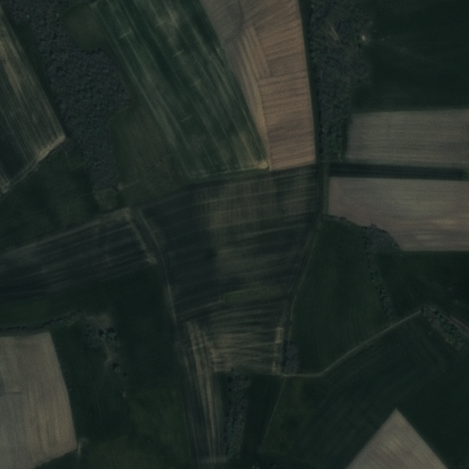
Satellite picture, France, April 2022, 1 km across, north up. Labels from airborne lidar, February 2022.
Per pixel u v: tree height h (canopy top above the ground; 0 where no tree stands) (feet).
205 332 0
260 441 0
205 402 0
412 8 0
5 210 0
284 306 0
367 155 0
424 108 0
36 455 0
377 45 0
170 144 0
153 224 0
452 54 0
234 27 0
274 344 0
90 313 0
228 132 0
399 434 0
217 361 0
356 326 0
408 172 0
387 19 0
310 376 0
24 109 0
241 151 0
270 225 0
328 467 0
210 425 0
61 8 47
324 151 56
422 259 0
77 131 52
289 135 0
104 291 0
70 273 0
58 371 0
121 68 0
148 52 0
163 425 0
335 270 0
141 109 0
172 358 0
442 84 0
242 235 0
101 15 0
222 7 0
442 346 0
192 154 0
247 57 0
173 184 0
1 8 0
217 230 0
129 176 0
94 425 0
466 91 0
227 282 0
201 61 0
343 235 0
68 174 0
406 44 0
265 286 0
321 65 54
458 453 0
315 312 0
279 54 0
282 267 0
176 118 0
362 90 0
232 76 0
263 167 0
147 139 0
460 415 0
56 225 0
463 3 0
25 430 0
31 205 0
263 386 0
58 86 57
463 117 0
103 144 58
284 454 0
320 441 0
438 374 0
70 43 58
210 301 0
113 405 0
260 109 0
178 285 0
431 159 0
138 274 0
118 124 0
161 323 0
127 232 0
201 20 0
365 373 0
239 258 0
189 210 0
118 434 0
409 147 0
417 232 0
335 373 0
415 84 0
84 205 0
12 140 0
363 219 0
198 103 0
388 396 0
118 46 0
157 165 0
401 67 0
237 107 0
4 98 0
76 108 60
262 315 0
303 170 0
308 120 0
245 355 0
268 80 0
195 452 0
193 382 0
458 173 0
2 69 0
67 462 0
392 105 0
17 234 0
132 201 0
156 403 0
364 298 0
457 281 0
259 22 0
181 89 0
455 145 0
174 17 0
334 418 0
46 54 36
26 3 60
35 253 0
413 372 0
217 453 0
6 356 0
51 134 0
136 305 0
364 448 0
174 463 0
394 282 0
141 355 0
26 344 0
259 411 0
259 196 0
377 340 0
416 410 0
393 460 0
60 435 0
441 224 0
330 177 0
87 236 0
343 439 0
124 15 0
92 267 0
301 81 0
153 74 0
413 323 0
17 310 0
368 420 0
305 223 0
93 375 0
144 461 0
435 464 0
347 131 0
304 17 0
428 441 0
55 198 0
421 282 0
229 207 0
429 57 0
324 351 0
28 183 0
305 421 0
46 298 0
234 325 0
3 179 0
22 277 0
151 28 0
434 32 0
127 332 0
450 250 0
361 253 0
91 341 30
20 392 0
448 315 0
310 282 0
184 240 0
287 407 0
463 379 0
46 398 0
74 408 0
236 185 0
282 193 0
